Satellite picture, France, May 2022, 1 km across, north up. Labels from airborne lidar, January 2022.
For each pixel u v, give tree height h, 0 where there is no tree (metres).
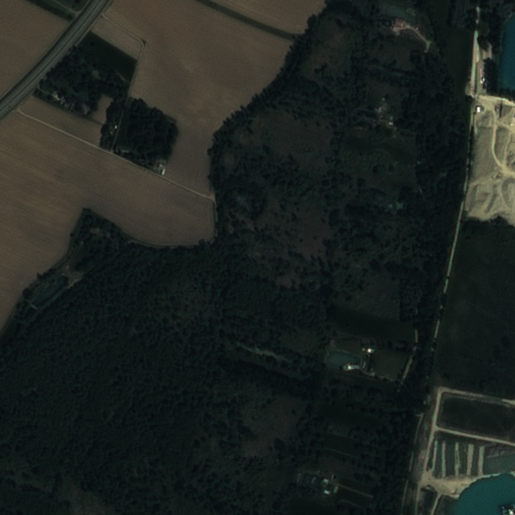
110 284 27
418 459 0
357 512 14
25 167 0
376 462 13
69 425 17
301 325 19
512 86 0
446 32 0
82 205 0
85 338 20
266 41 0
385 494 23
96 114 0
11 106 0
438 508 0
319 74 12
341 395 13
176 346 17
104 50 0
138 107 17
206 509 14
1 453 16
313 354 9
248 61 0
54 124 0
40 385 24
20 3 0
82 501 0
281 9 0
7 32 0
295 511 0
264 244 18
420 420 0
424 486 0
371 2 11
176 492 18
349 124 18
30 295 21
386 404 20
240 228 9
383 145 0
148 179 0
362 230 24
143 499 26
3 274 0
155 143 20
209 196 0
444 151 25
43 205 0
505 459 0
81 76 19
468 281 0
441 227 22
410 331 0
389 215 14
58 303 13
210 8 0
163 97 0
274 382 32
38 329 15
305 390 32
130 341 19
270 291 26
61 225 0
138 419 11
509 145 0
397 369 0
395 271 29
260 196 16
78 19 0
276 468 0
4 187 0
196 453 13
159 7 0
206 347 23
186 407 16
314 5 0
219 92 0
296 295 19
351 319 0
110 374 10
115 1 0
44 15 0
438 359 0
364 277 10
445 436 0
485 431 0
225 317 11
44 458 24
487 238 0
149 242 0
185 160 0
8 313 0
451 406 0
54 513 17
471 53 0
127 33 0
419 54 7
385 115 0
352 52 8
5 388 27
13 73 0
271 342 14
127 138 11
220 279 13
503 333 0
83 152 0
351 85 13
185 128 0
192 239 0
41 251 0
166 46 0
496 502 0
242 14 0
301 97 15
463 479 0
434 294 19
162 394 17
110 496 28
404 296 21
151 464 10
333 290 13
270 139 6
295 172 12
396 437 20
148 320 15
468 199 0
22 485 0
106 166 0
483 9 21
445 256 13
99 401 14
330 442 0
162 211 0
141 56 0
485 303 0
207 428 20
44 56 0
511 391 0
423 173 32
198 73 0
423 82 33
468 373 0
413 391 34
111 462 18
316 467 16
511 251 0
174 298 15
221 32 0
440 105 24
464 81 0
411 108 21
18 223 0
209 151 9
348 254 10
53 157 0
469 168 11
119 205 0
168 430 19
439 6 0
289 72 12
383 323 0
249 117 10
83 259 0
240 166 8
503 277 0
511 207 0
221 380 23
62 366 24
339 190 18
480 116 0
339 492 0
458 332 0
